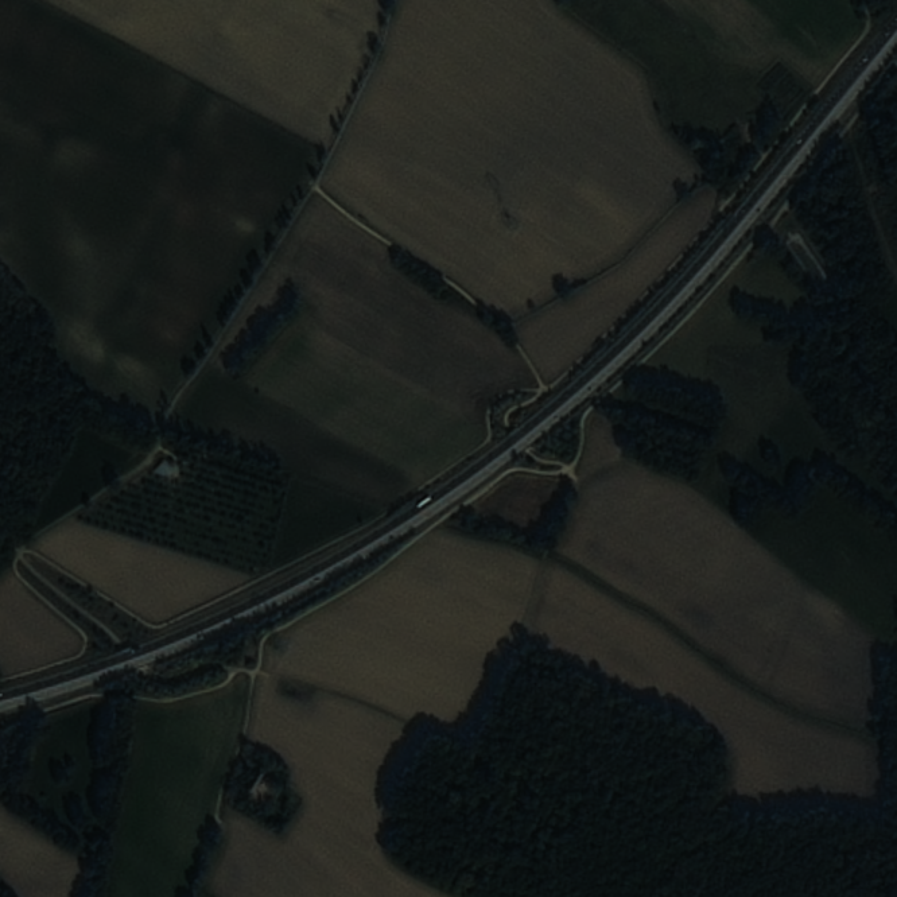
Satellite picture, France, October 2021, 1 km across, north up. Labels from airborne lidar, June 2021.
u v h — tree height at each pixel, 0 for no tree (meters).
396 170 0
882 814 16
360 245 0
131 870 0
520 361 0
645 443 20
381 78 0
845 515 0
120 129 0
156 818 0
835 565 0
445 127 0
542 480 0
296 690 0
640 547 0
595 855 23
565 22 0
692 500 0
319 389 0
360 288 0
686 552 0
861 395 25
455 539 0
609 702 22
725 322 0
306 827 0
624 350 0
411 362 0
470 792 24
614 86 0
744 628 0
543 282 0
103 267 0
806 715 0
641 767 24
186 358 0
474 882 20
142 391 0
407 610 0
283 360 0
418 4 0
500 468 0
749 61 0
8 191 0
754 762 0
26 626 0
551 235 0
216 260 0
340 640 0
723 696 0
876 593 0
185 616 0
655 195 0
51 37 0
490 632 0
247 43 0
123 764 19
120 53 0
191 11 0
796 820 21
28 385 13
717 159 19
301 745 0
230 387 0
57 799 0
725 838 23
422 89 0
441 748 23
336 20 0
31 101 0
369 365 0
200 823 0
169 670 8
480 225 0
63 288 0
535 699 21
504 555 0
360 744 0
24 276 0
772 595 0
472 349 0
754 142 11
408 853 22
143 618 0
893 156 21
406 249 0
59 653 0
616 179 0
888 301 11
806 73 0
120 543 0
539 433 0
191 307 0
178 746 0
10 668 0
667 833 24
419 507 0
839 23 0
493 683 16
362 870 0
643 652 0
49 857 0
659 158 0
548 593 0
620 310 0
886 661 17
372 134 0
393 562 0
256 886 0
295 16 0
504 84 0
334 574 0
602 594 0
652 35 0
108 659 0
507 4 0
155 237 0
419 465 0
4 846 0
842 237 27
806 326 21
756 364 0
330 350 0
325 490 0
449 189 0
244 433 0
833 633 0
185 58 0
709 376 0
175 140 0
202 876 15
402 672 0
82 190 0
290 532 0
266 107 0
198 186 0
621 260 0
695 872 24
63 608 0
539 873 21
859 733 0
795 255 0
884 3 14
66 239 0
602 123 0
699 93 0
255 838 0
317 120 0
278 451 0
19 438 14
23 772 23
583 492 0
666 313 0
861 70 0
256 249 0
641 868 25
